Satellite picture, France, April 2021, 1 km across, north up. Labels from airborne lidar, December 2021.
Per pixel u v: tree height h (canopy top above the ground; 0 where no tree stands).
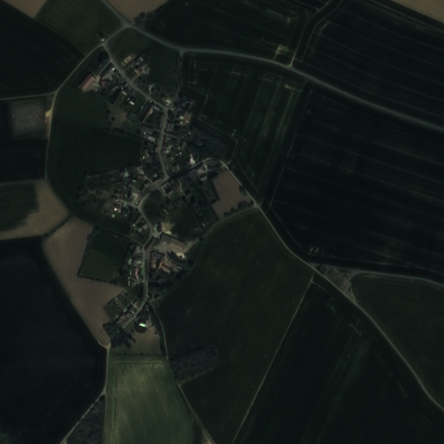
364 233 0
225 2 0
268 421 0
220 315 0
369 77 0
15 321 0
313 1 0
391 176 0
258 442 0
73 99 0
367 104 0
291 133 0
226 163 0
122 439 0
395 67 0
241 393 0
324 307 0
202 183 13
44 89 0
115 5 0
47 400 0
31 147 0
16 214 0
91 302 0
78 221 0
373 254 0
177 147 0
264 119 0
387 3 0
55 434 0
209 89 0
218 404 0
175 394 0
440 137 0
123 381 0
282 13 0
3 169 0
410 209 0
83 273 0
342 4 0
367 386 0
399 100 0
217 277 0
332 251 0
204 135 16
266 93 0
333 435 0
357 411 0
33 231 0
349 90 0
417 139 0
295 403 0
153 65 0
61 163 0
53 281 0
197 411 0
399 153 0
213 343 0
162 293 14
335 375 0
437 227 0
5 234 0
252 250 0
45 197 0
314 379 0
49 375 0
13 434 0
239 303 0
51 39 0
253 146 0
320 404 0
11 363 0
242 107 0
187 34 0
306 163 0
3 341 0
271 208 0
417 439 0
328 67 0
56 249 0
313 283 0
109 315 0
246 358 0
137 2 0
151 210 0
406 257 0
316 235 0
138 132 9
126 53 0
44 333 0
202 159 6
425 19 0
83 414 0
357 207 0
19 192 0
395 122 0
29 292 0
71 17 0
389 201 0
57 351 0
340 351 0
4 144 0
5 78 0
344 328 0
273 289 0
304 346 0
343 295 0
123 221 0
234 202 0
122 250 0
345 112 0
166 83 0
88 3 0
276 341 0
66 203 0
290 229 0
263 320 0
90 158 0
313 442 0
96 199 11
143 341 0
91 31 0
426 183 0
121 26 0
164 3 0
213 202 7
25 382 0
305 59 0
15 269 0
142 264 0
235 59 0
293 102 0
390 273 0
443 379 0
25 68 0
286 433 0
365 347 0
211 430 0
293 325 0
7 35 0
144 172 0
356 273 0
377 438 0
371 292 0
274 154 0
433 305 0
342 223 0
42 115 0
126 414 0
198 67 0
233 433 0
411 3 0
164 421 0
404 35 0
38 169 0
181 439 0
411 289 0
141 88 0
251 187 0
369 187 0
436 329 0
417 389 0
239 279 0
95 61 0
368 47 0
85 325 0
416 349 0
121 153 0
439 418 0
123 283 0
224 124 0
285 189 0
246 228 0
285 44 0
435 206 0
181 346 0
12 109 0
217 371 0
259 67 0
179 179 15
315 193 0
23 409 0
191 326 0
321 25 0
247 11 0
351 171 0
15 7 0
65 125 0
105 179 10
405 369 0
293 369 0
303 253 0
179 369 16
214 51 0
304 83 0
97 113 0
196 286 0
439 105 0
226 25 0
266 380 0
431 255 0
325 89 0
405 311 0
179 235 0
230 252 0
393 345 0
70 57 0
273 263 0
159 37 0
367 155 0
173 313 0
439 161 0
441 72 0
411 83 0
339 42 0
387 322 0
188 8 0
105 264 0
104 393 0
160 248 0
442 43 0
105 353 0
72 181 0
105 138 0
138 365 0
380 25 0
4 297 0
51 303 0
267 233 0
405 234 0
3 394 0
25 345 0
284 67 0
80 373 0
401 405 0
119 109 0
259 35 0
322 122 0
